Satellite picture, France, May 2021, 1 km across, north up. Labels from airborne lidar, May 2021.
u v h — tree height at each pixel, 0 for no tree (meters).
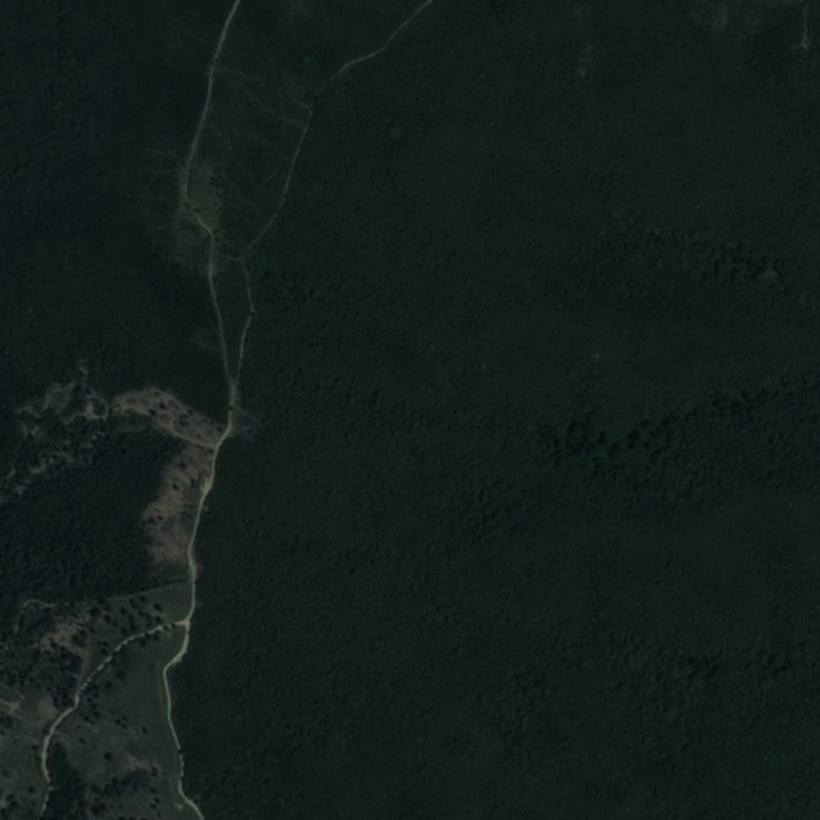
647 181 6
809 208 10
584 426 19
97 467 11
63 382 14
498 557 7
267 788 9
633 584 7
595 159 7
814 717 7
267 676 8
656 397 9
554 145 7
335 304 7
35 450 6
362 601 7
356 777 8
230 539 12
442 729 8
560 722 13
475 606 7
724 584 7
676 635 8
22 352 7
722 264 16
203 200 0
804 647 13
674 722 10
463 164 6
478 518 10
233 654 8
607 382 7
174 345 7
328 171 7
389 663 6
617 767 5
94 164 8
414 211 8
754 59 10
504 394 10
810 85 6
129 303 7
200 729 7
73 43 9
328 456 6
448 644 7
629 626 11
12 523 11
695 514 8
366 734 7
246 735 12
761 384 12
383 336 7
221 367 7
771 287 12
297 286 10
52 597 9
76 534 13
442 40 6
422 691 7
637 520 7
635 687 15
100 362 6
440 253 7
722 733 10
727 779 8
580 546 8
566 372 8
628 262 11
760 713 13
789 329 8
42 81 8
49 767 7
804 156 8
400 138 7
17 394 12
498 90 7
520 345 6
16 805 14
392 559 8
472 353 7
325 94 6
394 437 8
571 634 13
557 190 8
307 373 7
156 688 0
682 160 6
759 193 6
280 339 6
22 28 7
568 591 9
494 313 7
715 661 24
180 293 9
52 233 9
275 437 7
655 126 6
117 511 7
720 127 6
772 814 9
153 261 7
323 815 7
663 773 11
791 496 8
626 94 6
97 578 12
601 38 5
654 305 10
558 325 7
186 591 0
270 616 7
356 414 9
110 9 10
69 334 6
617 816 8
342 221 8
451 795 6
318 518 7
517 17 9
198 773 7
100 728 0
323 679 6
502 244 6
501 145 7
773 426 9
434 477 9
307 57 6
